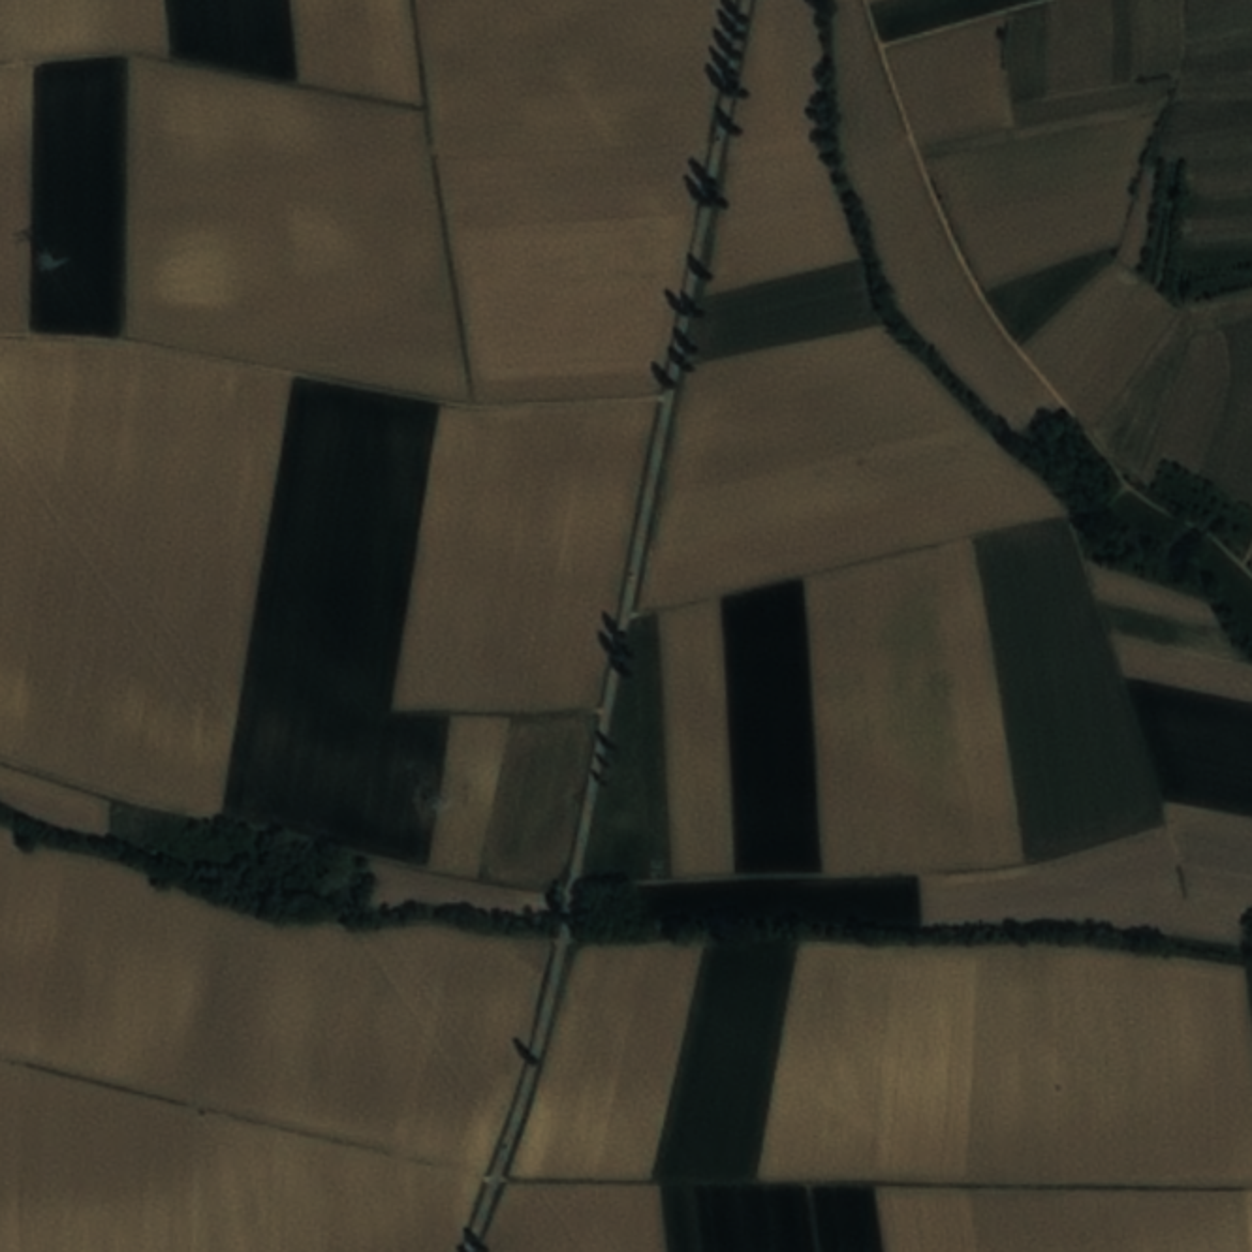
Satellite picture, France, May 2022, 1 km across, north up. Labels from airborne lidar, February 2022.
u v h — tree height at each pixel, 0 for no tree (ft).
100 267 0
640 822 0
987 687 0
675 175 0
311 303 0
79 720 0
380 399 0
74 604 0
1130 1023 0
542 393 0
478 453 0
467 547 0
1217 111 0
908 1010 0
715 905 0
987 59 0
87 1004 0
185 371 0
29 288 0
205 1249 0
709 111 0
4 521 0
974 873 0
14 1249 0
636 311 0
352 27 0
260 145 0
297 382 0
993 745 0
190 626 0
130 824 0
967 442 0
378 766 0
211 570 0
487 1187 0
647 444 0
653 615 0
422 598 0
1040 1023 0
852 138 0
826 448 0
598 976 0
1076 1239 0
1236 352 0
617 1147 0
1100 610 0
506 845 0
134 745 0
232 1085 0
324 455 0
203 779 0
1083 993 0
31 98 0
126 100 0
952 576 0
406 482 0
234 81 0
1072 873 0
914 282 0
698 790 0
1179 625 0
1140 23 0
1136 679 0
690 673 0
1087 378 0
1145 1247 0
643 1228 0
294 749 0
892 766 0
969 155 0
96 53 0
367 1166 0
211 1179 0
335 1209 0
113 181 0
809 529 0
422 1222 0
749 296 0
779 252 0
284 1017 0
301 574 0
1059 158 0
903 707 0
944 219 0
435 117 0
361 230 0
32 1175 0
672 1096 0
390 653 0
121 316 0
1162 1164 0
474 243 0
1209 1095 0
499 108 0
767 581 0
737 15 106
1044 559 0
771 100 0
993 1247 0
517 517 0
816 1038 0
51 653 0
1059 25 0
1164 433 0
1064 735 0
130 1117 0
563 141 0
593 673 0
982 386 0
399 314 0
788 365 0
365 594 0
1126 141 0
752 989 0
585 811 0
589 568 0
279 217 0
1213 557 0
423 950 0
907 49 0
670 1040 0
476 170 0
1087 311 0
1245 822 0
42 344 0
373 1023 0
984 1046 0
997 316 0
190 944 0
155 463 0
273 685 0
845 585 0
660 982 0
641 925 71
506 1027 0
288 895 66
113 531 0
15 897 0
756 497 0
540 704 0
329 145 0
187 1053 0
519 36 0
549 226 0
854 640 0
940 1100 0
